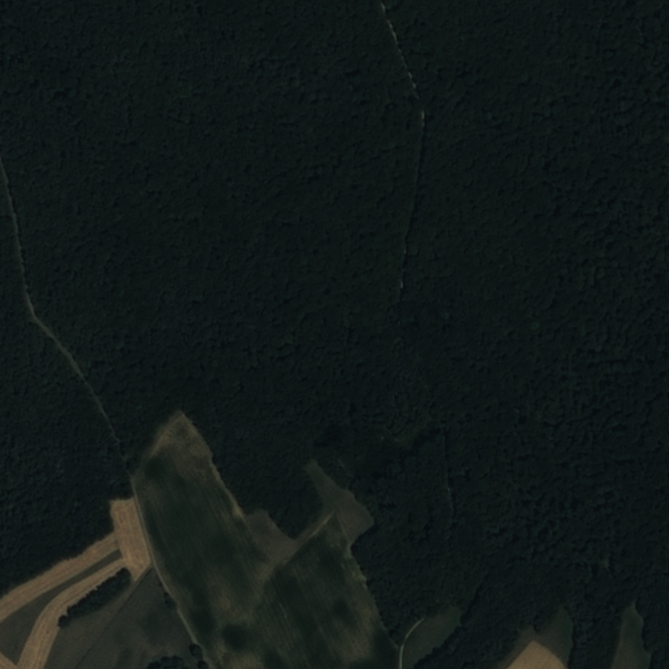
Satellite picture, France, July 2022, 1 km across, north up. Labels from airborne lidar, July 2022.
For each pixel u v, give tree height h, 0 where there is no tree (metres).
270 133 21
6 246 18
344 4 19
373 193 26
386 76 22
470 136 19
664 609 25
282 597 0
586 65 25
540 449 25
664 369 32
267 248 25
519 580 25
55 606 0
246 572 0
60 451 20
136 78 17
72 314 17
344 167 28
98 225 17
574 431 23
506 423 31
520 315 23
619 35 29
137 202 20
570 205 27
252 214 20
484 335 21
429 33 21
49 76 22
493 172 23
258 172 22
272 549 0
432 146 20
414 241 19
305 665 0
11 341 19
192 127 17
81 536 20
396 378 23
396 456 6
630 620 0
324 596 0
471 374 21
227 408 23
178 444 0
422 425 22
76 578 0
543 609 21
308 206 22
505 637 22
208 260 21
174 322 20
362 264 24
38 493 17
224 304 21
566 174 24
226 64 18
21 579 17
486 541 23
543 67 20
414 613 18
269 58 17
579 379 22
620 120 23
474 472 21
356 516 0
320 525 0
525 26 19
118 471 23
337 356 24
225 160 21
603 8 26
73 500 18
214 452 15
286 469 21
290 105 23
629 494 28
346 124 22
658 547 26
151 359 25
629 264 21
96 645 0
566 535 23
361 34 22
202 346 22
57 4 20
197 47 17
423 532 10
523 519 28
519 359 26
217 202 25
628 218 25
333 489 0
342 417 26
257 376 28
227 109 21
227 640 0
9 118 17
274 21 22
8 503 14
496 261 20
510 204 22
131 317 25
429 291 18
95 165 16
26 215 15
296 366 24
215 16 25
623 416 28
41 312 16
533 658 0
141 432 23
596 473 30
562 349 20
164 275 22
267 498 22
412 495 24
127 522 0
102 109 20
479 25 20
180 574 0
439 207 25
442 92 24
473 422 28
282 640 0
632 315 25
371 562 20
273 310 21
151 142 21
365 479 9
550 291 24
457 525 20
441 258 21
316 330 23
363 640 0
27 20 22
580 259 26
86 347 18
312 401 26
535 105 20
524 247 20
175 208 18
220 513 0
